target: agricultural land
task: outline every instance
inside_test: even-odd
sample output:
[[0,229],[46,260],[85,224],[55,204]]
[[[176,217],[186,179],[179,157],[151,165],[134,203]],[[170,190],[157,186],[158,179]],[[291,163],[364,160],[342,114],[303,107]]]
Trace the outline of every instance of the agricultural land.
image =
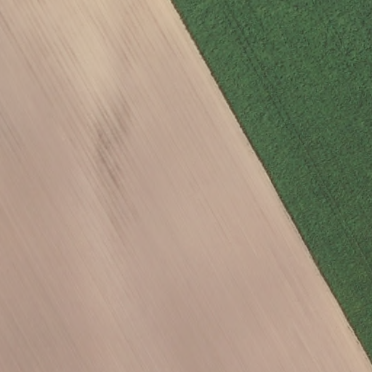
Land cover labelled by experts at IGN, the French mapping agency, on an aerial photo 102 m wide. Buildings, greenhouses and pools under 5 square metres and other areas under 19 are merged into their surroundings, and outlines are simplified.
[[0,0],[0,372],[372,372],[372,0]]

